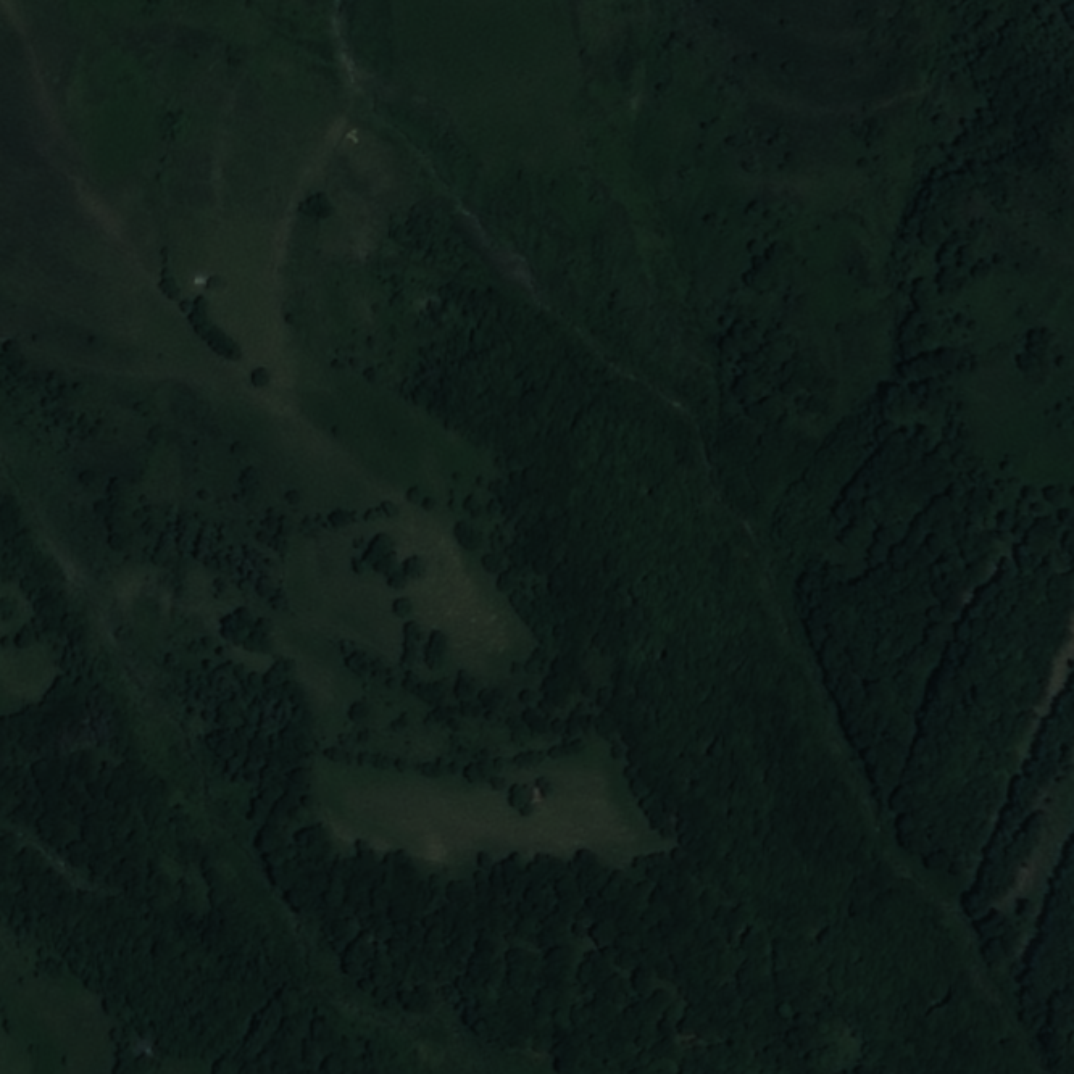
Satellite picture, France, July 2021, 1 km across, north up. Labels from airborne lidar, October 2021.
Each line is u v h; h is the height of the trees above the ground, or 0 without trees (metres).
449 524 0
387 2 0
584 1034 23
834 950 19
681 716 24
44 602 14
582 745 15
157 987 19
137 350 0
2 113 0
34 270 0
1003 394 0
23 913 11
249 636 23
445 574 0
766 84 0
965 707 16
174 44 0
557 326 6
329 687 0
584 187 6
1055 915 28
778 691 15
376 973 31
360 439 0
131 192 0
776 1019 18
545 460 23
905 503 19
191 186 0
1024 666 19
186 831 30
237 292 0
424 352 11
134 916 16
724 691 24
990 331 0
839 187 0
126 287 0
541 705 7
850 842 39
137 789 25
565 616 16
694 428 8
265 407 0
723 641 19
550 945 29
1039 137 10
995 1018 33
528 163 0
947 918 14
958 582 27
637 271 0
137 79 0
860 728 26
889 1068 10
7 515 19
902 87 0
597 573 14
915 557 23
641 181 0
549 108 0
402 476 0
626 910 25
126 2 0
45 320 0
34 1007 0
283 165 0
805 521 6
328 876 7
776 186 0
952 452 16
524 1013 17
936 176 12
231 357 14
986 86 15
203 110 0
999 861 23
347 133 0
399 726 12
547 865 14
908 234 7
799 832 25
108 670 7
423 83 0
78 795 10
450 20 0
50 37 0
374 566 20
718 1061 23
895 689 17
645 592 19
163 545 15
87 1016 0
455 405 17
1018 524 16
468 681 13
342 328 0
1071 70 17
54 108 0
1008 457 7
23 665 0
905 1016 30
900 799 31
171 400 0
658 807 18
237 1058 16
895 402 26
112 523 12
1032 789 24
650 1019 23
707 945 24
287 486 0
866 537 12
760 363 14
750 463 6
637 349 5
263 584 25
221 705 17
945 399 13
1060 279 0
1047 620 22
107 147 0
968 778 16
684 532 21
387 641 0
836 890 23
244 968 15
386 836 0
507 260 0
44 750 22
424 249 15
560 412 26
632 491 20
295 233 0
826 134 0
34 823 17
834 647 19
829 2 0
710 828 25
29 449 0
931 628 12
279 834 13
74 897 19
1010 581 24
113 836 16
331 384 0
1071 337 0
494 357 23
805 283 0
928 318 13
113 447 0
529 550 13
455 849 0
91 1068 0
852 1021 7
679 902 29
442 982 16
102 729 20
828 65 0
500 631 0
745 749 31
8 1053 0
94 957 14
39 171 0
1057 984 28
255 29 0
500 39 0
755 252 16
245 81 0
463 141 0
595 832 0
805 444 8
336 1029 23
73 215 0
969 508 24
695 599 18
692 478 16
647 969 24
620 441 23
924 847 24
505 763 13
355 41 0
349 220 0
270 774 20
